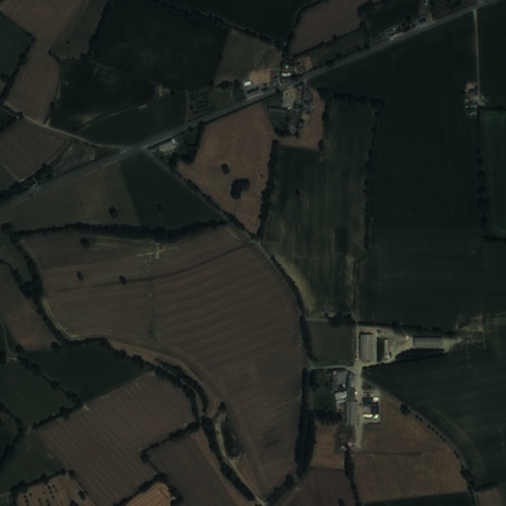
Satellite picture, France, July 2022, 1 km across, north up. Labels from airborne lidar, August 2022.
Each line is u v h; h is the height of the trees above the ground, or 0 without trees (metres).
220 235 0
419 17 0
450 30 0
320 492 0
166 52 0
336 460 0
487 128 0
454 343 0
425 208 0
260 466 0
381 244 0
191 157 13
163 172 0
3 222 0
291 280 20
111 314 0
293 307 0
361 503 9
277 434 0
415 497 0
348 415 0
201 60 0
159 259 0
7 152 0
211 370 0
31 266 15
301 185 0
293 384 0
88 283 0
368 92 0
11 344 0
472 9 0
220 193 0
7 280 0
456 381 0
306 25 0
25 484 14
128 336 0
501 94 0
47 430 0
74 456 0
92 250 0
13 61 0
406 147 0
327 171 0
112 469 0
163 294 0
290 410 0
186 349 0
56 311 0
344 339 0
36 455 0
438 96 0
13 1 0
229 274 0
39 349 0
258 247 0
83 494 13
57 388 17
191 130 14
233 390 0
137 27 0
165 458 0
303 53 6
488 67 0
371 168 12
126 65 0
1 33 0
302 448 30
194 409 13
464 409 0
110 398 0
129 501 6
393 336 0
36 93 0
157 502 0
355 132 0
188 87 0
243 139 0
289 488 20
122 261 0
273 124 0
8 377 0
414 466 0
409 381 0
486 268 0
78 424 0
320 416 26
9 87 10
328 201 0
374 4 16
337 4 0
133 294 0
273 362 0
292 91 0
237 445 0
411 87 0
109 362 0
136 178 0
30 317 0
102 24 14
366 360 0
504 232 0
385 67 0
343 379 0
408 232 0
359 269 0
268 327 0
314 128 0
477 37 0
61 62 15
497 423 0
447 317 0
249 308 0
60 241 0
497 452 0
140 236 25
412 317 0
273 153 7
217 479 0
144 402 0
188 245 0
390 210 0
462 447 0
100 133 0
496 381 0
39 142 0
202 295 0
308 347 20
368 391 0
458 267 0
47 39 0
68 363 0
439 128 0
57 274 0
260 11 0
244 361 0
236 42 0
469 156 0
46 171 14
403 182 0
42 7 0
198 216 0
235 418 0
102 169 0
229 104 0
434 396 0
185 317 0
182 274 0
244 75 0
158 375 15
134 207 0
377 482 0
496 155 0
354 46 0
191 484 0
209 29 0
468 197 0
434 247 0
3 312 0
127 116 0
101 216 0
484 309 0
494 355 0
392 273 0
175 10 14
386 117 0
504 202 0
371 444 0
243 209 0
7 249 0
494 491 0
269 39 12
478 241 0
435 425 0
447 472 0
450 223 0
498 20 0
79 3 0
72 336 0
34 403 0
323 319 0
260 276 0
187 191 0
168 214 0
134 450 0
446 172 0
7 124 7
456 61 0
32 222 0
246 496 12
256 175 0
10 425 0
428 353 7
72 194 0
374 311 0
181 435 14
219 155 0
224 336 0
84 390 0
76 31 0
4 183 0
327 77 0
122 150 0
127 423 0
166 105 0
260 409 0
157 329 0
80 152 0
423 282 0
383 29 0
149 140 0
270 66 0
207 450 0
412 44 0
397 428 0
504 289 0
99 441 0
